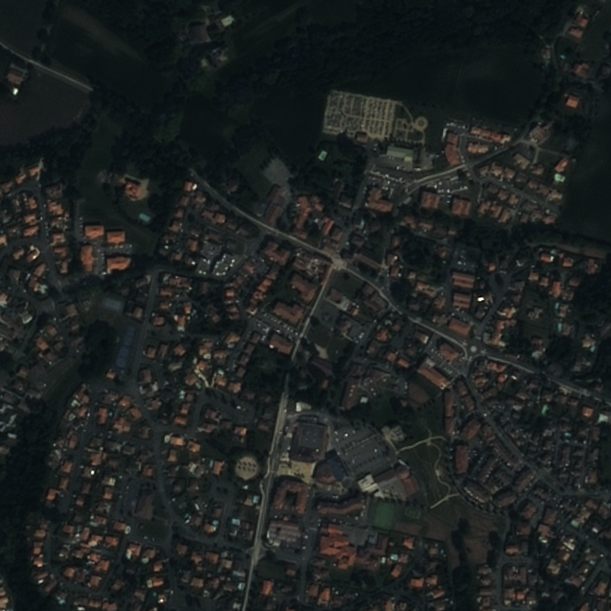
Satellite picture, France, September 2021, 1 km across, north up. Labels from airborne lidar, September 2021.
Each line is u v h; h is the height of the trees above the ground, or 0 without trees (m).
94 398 0
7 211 7
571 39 0
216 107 19
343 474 0
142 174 21
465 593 19
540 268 14
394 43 21
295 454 0
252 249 0
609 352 25
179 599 0
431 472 0
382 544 0
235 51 0
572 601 23
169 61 21
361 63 24
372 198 0
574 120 10
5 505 20
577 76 7
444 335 0
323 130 0
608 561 6
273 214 0
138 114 22
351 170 6
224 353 0
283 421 0
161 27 26
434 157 0
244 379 8
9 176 15
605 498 0
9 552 31
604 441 11
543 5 26
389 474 0
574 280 0
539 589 7
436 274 6
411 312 6
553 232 25
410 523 0
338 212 7
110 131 0
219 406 0
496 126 0
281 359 12
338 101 0
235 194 11
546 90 14
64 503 0
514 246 14
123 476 0
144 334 0
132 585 14
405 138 0
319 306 0
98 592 0
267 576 0
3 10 0
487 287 14
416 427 0
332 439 0
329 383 5
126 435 0
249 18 6
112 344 15
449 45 27
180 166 13
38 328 8
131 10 25
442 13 33
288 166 12
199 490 0
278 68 18
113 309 0
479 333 0
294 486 0
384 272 0
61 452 0
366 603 6
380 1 17
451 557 0
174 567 11
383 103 0
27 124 0
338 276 0
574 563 7
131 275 24
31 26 0
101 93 25
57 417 7
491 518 0
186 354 7
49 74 0
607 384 19
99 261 0
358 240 0
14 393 6
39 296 6
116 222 0
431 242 7
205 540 0
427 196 0
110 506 0
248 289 7
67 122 0
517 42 19
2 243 0
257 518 0
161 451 0
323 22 0
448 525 0
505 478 0
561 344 8
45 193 8
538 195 0
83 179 0
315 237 14
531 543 11
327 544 0
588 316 22
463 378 8
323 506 0
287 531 0
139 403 0
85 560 6
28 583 19
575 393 0
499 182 0
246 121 0
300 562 0
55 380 0
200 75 35
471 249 8
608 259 0
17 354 0
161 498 0
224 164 20
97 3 23
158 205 16
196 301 8
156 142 13
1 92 14
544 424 8
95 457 0
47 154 21
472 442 0
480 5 8
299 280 0
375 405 12
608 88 19
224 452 6
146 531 0
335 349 0
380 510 0
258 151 0
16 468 20
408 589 8
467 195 0
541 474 0
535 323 0
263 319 0
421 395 0
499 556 7
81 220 0
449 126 0
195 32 0
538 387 8
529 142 0
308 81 26
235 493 0
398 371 10
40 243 0
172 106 24
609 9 0
